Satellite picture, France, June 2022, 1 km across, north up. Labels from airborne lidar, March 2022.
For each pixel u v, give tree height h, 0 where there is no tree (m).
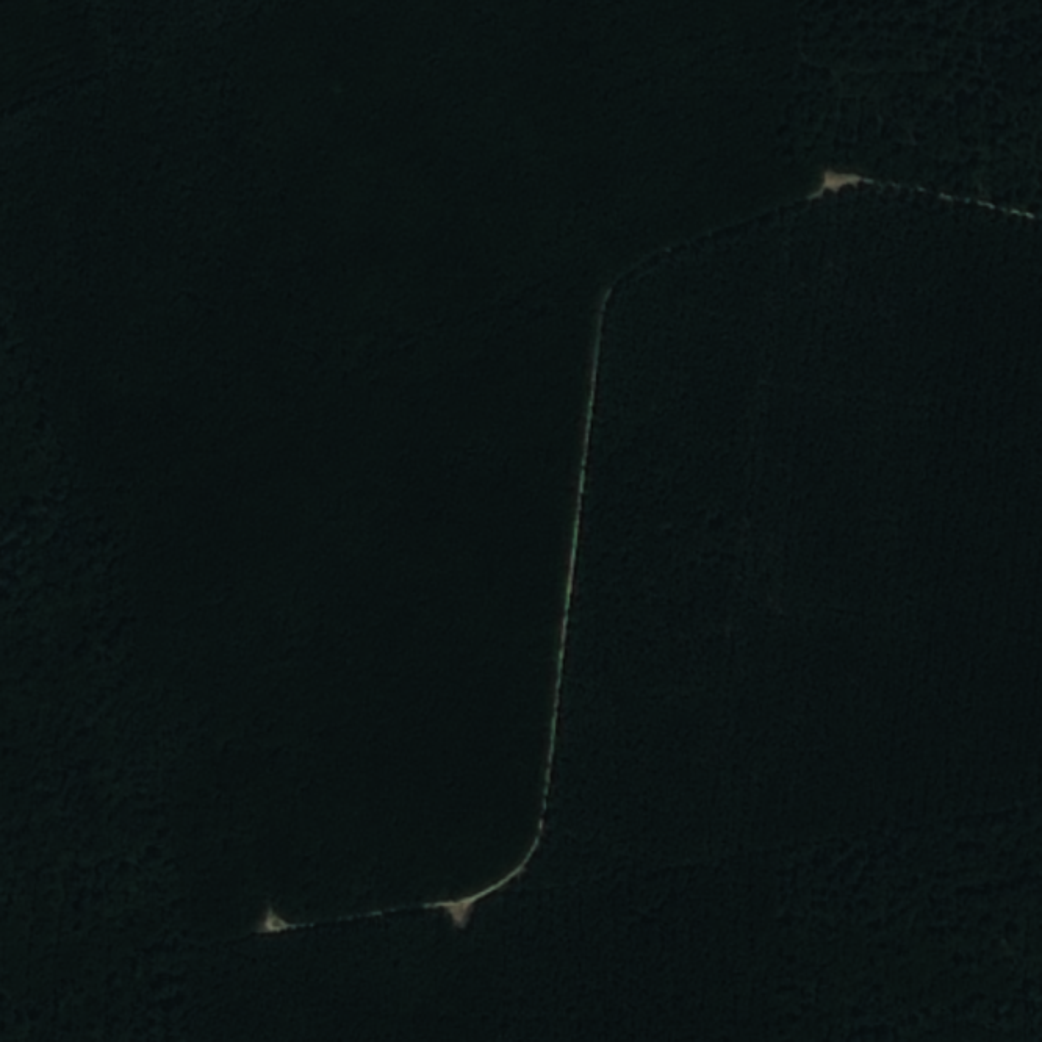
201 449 16
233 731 9
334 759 13
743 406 15
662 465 14
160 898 14
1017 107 0
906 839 19
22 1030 18
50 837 19
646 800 13
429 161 8
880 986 17
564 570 10
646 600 13
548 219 10
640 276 13
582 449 9
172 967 21
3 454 6
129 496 18
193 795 9
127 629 19
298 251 11
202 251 16
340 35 12
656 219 13
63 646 18
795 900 18
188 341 15
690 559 14
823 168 11
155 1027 19
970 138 18
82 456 15
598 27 14
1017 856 18
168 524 13
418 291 9
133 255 17
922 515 13
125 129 18
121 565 15
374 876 9
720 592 12
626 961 14
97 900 18
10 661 12
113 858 19
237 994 11
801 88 10
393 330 10
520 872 0
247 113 19
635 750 12
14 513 15
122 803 16
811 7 7
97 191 19
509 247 7
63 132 18
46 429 18
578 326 13
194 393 16
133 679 16
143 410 15
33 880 15
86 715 20
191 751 9
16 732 12
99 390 15
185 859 14
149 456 15
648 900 19
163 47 15
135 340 15
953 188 17
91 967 7
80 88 16
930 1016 23
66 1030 18
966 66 7
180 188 17
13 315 21
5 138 14
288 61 10
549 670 11
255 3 11
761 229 16
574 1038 15
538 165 9
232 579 12
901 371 15
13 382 18
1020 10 11
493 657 12
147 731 17
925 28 16
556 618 16
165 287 17
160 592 11
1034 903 18
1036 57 21
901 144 17
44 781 20
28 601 19
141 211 18
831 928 20
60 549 21
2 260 18
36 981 7
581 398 11
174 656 12
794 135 25
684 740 14
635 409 13
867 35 10
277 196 18
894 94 17
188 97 15
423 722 14
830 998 21
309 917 9
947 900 19
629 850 11
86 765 21
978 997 17
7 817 17
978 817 12
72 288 17
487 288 10
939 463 13
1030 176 14
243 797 9
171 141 18
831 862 14
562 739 10
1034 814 17
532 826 14
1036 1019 17
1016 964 17
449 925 13
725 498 15
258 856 12
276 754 14
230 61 15
